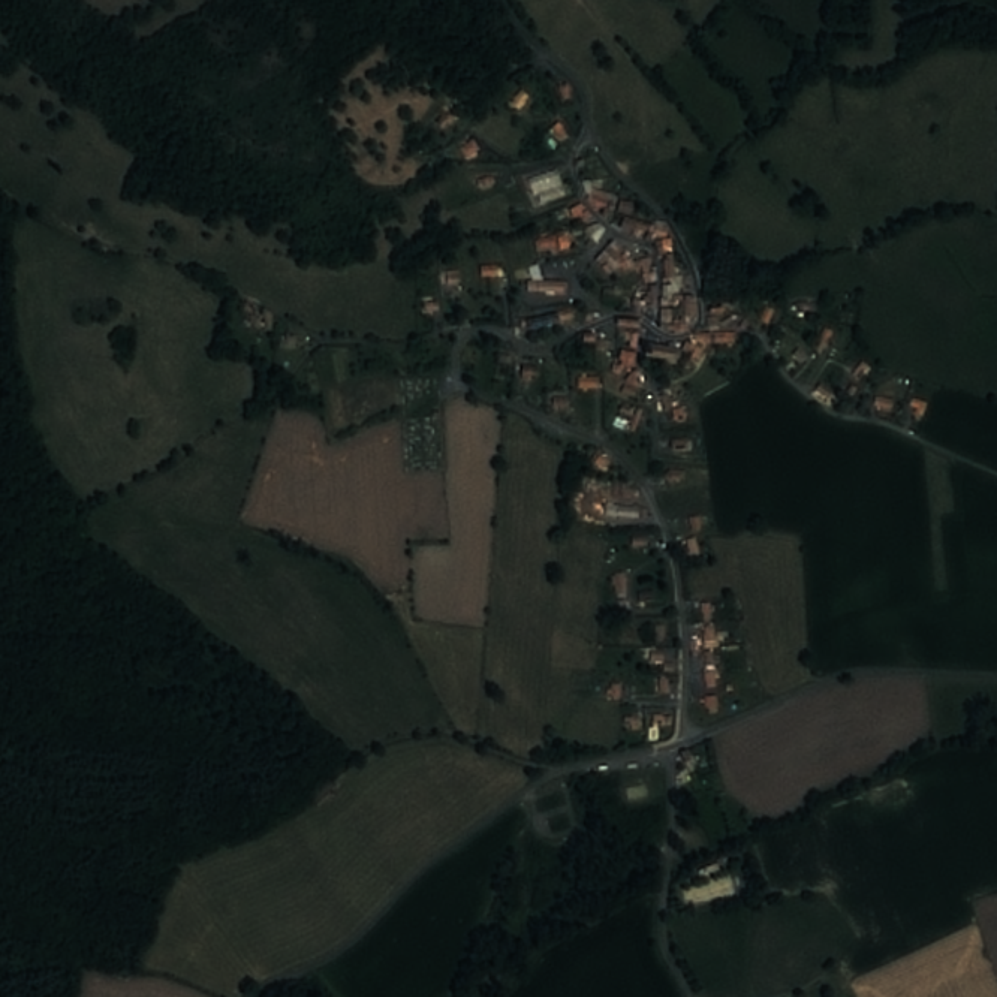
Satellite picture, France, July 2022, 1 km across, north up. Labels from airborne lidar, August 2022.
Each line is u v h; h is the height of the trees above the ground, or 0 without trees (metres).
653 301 0
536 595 0
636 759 0
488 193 0
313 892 0
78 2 10
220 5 6
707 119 0
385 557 0
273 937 0
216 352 17
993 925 0
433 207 13
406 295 0
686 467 0
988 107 0
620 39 13
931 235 0
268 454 0
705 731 0
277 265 0
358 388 0
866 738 0
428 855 0
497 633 0
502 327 9
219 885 0
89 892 20
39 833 14
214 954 0
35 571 15
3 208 21
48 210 0
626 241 0
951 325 0
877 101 0
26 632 18
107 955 8
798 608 0
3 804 23
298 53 7
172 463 10
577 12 0
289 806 17
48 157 0
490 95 14
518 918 0
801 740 0
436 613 0
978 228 0
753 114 10
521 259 0
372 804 0
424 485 0
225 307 14
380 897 0
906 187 0
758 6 6
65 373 0
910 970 0
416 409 0
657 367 15
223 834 18
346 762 12
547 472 0
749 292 13
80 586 18
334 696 0
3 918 21
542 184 0
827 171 0
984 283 0
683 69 0
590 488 0
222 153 10
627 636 0
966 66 0
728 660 0
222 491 0
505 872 10
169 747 18
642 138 0
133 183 18
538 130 6
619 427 0
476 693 0
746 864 10
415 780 0
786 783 0
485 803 0
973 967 0
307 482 0
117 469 0
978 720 34
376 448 0
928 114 0
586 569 0
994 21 18
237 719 21
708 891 0
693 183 0
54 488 13
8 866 16
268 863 0
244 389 0
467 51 23
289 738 22
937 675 0
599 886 35
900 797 0
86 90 11
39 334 0
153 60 10
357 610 0
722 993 0
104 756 21
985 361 0
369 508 0
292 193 7
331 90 14
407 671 0
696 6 0
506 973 34
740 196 0
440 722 0
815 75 21
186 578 0
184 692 16
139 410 0
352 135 14
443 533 0
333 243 6
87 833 17
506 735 0
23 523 20
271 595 0
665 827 0
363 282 0
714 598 0
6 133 0
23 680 19
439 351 0
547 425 0
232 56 6
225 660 23
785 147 0
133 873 18
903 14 20
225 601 0
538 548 0
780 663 0
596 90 0
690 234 0
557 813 0
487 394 0
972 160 0
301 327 8
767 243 0
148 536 0
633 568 0
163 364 0
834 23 14
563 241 0
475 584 0
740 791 0
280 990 21
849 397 14
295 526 0
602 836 31
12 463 21
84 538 13
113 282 0
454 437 0
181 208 17
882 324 0
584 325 0
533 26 14
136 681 15
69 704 15
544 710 0
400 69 15
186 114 11
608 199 0
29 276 0
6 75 17
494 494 0
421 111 0
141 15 14
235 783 22
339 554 0
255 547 0
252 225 19
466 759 0
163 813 18
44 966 21
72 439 0
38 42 9
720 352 11
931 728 0
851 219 0
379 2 10
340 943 0
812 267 17
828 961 7
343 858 0
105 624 13
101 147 0
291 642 0
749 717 0
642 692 0
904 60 16
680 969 13
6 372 21
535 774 16
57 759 19
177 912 0
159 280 0
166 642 17
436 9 16
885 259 0
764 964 0
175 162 18
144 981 0
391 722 0
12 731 16
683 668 0
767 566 0
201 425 0
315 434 0
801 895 6
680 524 0
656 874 25
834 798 7
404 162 9
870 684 0
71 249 0
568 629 0
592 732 0
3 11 11
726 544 0
